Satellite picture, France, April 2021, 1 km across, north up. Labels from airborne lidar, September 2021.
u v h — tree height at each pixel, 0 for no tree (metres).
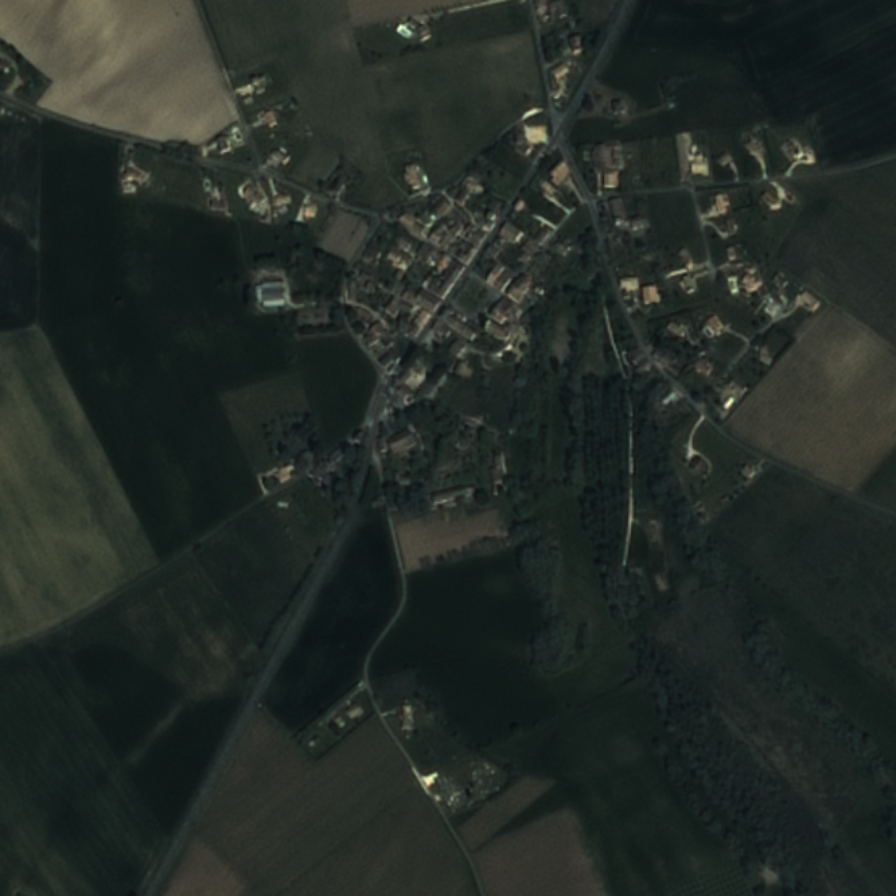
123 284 0
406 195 0
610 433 14
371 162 0
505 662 0
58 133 0
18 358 0
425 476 6
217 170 0
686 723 11
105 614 0
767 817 12
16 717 0
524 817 0
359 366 0
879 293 0
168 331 0
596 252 14
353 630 0
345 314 11
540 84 0
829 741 0
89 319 0
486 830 0
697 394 9
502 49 0
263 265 9
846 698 0
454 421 11
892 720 0
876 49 0
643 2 0
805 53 0
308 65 0
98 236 0
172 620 0
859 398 0
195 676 0
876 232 0
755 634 8
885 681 0
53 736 0
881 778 18
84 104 0
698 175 0
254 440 0
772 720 0
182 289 0
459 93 0
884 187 0
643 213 10
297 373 0
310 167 0
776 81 0
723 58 0
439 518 0
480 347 8
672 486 20
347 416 0
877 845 0
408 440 0
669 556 0
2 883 0
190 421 0
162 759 0
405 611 0
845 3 0
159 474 0
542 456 8
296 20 0
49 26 0
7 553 0
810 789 0
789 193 0
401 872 0
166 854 0
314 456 6
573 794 0
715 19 0
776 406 0
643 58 0
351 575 0
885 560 0
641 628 11
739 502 0
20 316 0
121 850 0
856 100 0
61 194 0
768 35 0
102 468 0
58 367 0
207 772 0
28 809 0
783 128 0
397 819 0
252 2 0
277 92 0
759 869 19
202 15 0
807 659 0
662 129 0
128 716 0
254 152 0
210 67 0
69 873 0
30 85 6
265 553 0
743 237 0
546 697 0
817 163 0
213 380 0
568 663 7
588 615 0
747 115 0
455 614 0
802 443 0
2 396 0
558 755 0
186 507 0
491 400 10
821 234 0
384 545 0
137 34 0
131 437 0
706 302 0
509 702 0
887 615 0
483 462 10
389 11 0
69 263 0
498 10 0
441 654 0
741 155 0
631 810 0
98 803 0
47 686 0
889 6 0
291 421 9
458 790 0
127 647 0
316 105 0
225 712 0
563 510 0
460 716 0
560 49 6
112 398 0
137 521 0
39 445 0
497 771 0
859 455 0
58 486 0
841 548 0
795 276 0
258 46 0
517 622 0
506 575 0
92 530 0
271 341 0
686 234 0
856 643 0
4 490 0
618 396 20
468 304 11
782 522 0
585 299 12
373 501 5
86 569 0
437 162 0
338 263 12
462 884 0
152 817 0
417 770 0
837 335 0
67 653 0
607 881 0
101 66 0
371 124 0
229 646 0
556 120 0
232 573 9
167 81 0
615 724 0
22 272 0
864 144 0
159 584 0
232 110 0
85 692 0
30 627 0
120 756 0
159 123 0
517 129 7
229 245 0
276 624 10
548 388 15
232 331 0
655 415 9
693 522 12
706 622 0
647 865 0
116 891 0
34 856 0
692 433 0
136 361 0
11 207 0
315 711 0
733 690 0
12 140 0
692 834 0
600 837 0
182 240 0
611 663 0
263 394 0
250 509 0
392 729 0
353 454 18
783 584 0
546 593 17
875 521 0
